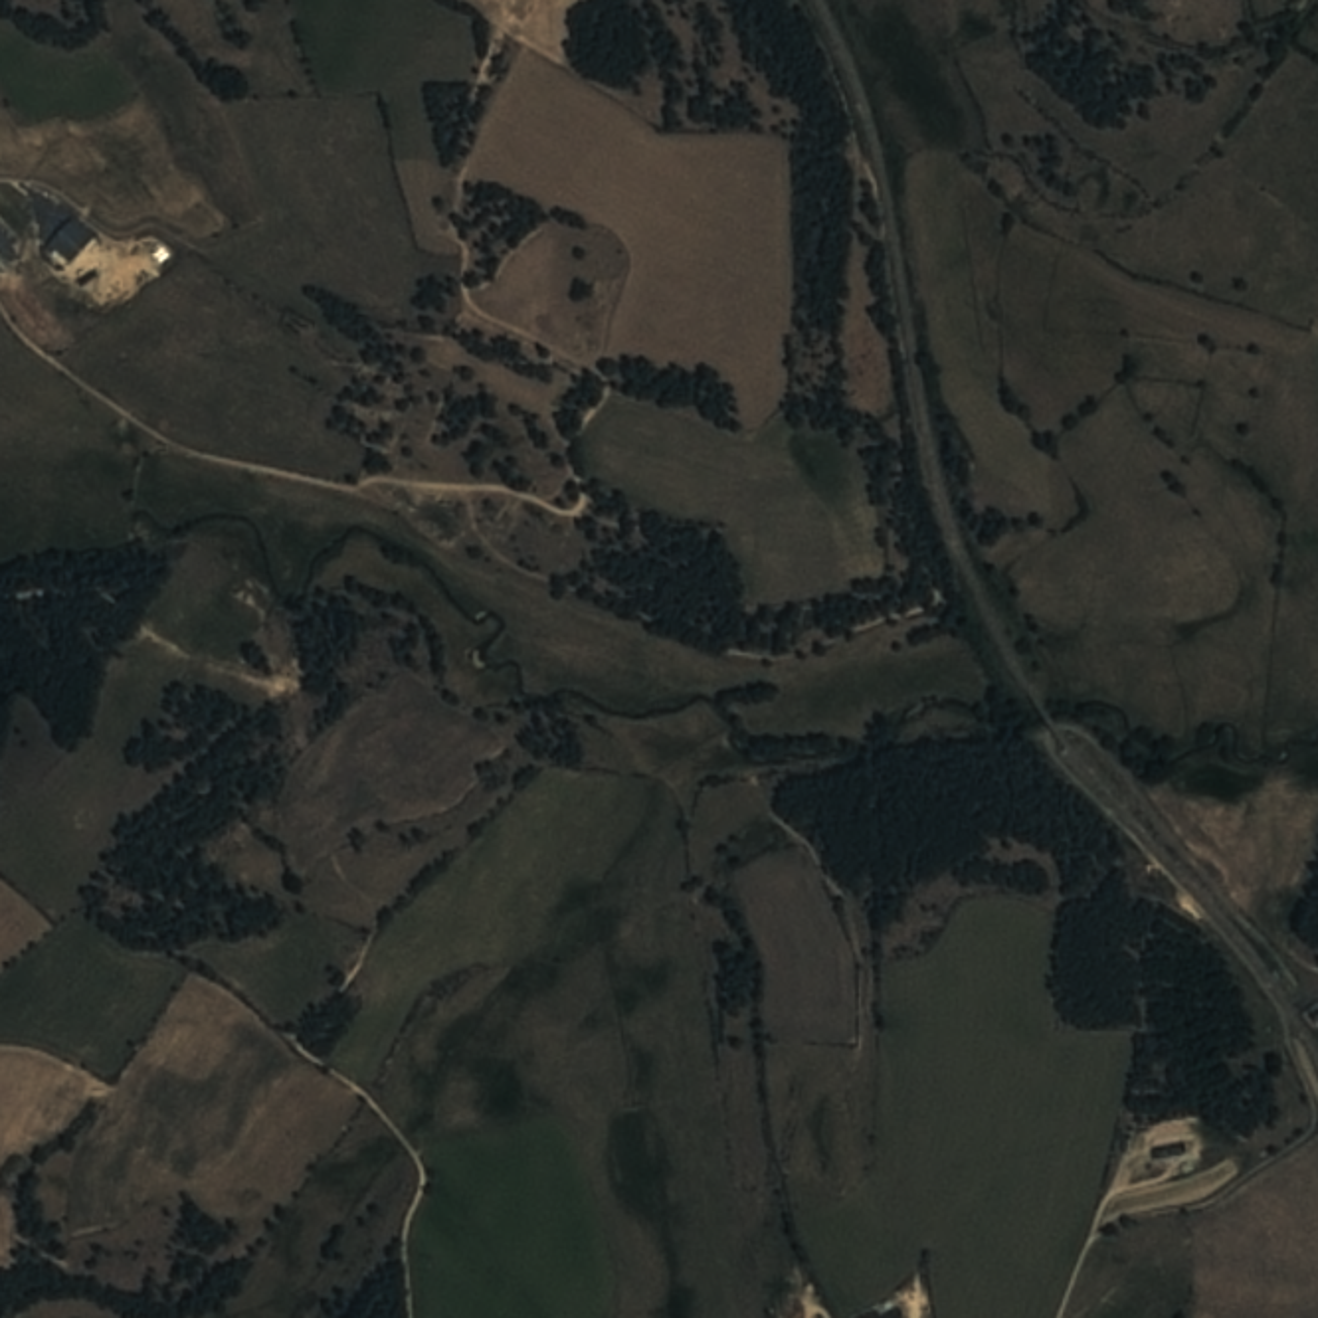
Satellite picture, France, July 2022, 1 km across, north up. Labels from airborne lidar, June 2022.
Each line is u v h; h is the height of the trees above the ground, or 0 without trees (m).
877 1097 0
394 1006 0
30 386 0
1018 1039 0
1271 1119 7
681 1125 0
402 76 0
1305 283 0
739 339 0
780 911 0
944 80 0
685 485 0
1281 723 0
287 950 0
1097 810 12
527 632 0
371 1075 0
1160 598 0
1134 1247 0
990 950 0
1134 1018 13
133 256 0
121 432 0
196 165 0
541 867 0
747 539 0
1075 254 0
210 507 0
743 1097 0
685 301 0
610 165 0
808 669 0
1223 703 0
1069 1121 0
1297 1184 0
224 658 0
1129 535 0
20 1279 16
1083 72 17
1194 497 0
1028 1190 0
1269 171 0
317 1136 0
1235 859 0
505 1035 0
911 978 0
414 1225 0
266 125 0
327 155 0
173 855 23
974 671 0
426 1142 0
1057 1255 0
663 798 0
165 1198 0
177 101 0
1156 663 0
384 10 0
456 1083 0
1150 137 0
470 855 0
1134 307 0
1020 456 0
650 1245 0
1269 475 0
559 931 0
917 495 15
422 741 0
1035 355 0
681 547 17
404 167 0
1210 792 0
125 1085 0
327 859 0
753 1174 0
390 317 0
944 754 17
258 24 0
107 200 0
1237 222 0
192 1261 12
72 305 0
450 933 0
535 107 0
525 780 8
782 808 13
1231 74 0
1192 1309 0
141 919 20
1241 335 0
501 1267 0
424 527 0
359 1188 0
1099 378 0
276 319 0
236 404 0
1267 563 0
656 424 0
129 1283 0
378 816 0
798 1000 0
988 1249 0
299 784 0
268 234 0
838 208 10
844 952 0
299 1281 0
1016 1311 0
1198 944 19
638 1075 0
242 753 13
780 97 7
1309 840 0
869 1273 0
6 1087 0
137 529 0
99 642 17
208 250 0
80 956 0
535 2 0
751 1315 0
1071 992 12
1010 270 0
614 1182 0
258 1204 0
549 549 0
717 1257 0
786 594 0
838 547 0
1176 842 0
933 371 10
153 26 11
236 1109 0
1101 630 0
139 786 0
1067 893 12
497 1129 0
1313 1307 0
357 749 0
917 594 16
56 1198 0
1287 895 0
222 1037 0
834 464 0
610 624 0
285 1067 0
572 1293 0
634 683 0
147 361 0
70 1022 0
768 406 0
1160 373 0
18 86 0
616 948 0
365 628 8
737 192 0
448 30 0
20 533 0
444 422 9
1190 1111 13
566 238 0
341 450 0
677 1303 0
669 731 0
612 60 15
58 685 16
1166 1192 0
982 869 9
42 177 0
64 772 0
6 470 0
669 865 0
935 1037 0
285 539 0
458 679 0
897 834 13
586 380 10
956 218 0
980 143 0
